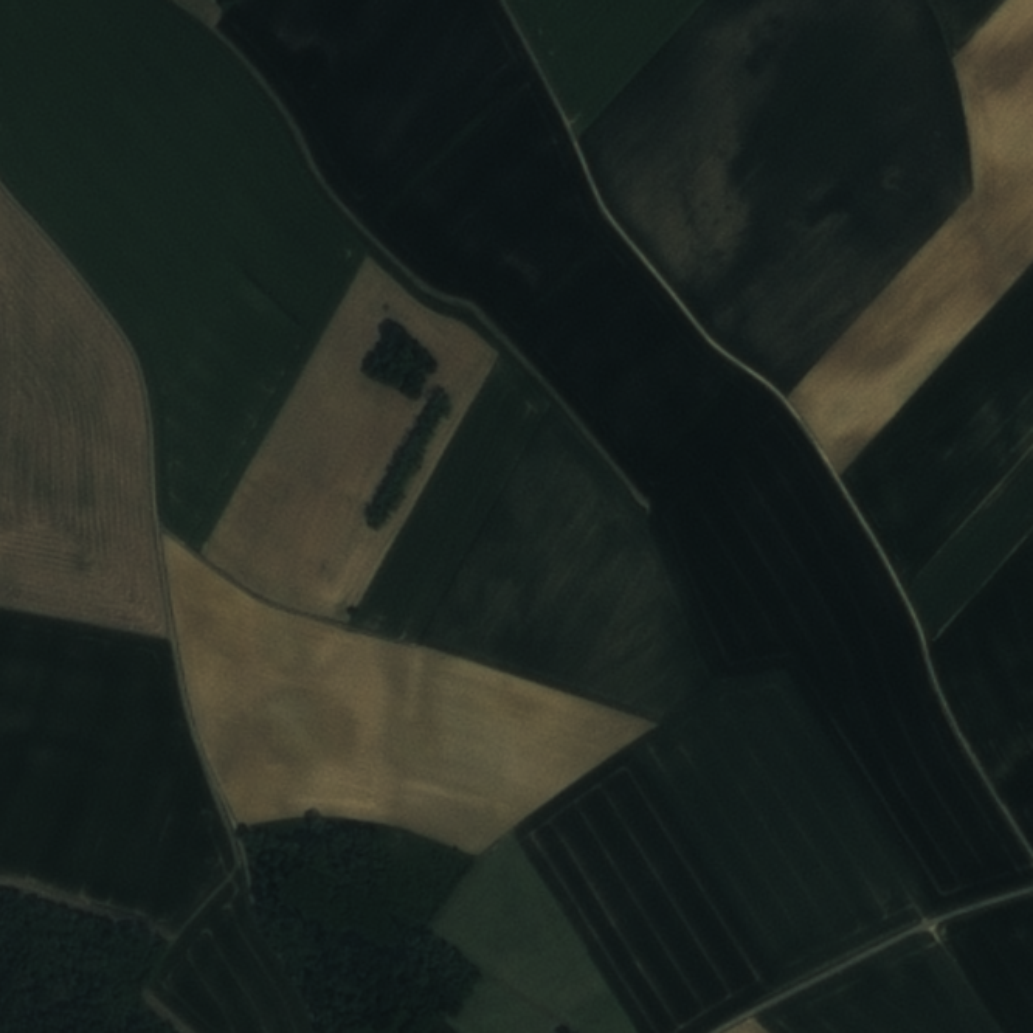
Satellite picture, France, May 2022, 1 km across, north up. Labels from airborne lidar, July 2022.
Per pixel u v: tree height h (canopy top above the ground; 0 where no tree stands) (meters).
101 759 0
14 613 0
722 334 0
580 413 0
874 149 0
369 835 20
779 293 0
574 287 0
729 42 0
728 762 0
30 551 0
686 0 0
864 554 0
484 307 0
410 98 0
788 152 0
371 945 7
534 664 0
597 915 0
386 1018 25
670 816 0
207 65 0
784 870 0
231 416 0
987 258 0
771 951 0
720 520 0
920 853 0
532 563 0
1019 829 0
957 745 0
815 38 0
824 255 0
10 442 0
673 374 0
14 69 0
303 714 0
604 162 0
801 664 0
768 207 0
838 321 0
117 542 0
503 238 0
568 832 0
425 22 0
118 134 0
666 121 0
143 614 0
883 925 0
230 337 0
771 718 0
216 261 0
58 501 0
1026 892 0
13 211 0
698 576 0
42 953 28
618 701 0
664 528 0
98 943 18
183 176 0
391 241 0
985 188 0
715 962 0
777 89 0
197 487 0
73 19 0
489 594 0
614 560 0
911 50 0
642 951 0
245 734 0
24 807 0
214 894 0
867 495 0
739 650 0
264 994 0
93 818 0
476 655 0
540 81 0
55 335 0
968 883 0
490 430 0
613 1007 0
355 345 0
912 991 0
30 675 0
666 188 0
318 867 25
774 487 0
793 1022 0
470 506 0
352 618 10
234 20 0
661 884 0
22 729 0
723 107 0
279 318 0
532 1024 0
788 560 0
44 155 0
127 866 0
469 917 0
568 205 0
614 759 0
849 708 0
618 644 0
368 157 0
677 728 0
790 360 0
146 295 0
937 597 0
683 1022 0
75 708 0
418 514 0
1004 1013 0
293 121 0
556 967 0
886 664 0
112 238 0
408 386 19
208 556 0
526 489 0
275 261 0
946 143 0
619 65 0
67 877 0
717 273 0
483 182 0
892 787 0
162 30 0
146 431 0
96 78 0
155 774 0
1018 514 0
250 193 0
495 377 0
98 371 0
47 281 0
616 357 0
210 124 0
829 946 0
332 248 0
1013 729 0
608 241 0
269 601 0
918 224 0
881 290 0
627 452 0
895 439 0
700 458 0
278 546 0
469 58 0
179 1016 0
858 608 0
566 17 0
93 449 0
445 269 0
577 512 0
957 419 0
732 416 0
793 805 0
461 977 24
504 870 0
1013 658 0
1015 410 0
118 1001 25
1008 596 0
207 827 0
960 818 0
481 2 0
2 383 0
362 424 0
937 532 0
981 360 0
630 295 0
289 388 0
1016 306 0
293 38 0
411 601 0
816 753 0
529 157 0
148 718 0
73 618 0
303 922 29
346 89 0
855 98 0
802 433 0
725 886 0
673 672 0
